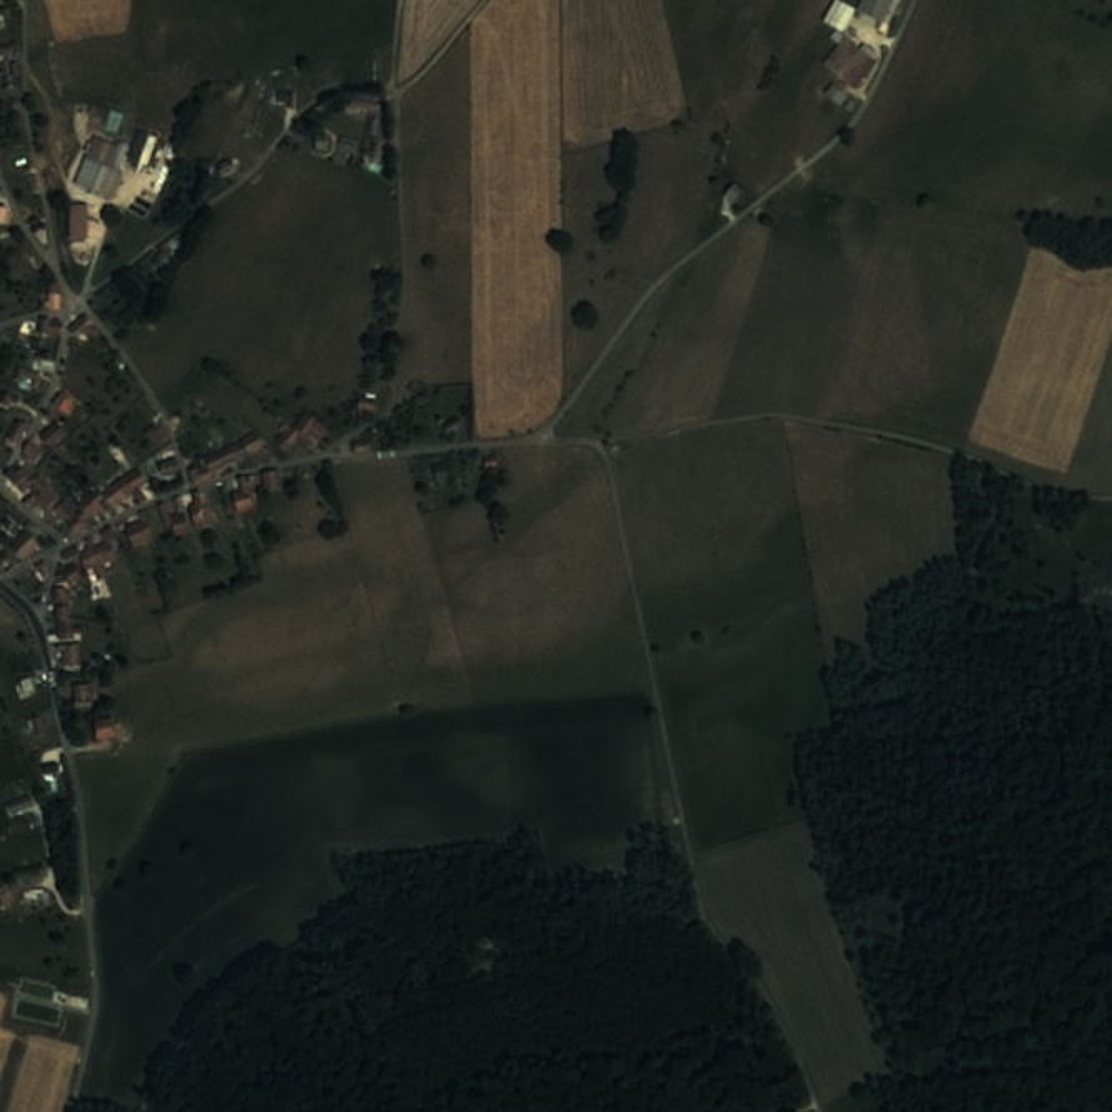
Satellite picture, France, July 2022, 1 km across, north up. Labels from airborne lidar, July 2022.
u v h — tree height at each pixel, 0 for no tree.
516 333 0
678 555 0
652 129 0
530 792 0
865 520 0
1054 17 0
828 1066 0
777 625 0
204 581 0
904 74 0
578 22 0
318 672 0
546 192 0
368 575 0
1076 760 22
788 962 0
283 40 0
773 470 0
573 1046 14
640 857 16
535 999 13
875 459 0
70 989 0
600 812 0
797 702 0
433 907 25
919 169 0
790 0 0
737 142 0
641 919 19
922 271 0
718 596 0
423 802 0
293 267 0
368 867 20
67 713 10
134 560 0
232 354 0
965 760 19
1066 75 0
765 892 0
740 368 0
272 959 25
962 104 0
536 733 0
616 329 0
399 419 8
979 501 14
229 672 0
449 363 0
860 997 0
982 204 0
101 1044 0
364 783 0
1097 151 0
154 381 0
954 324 0
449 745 0
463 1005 13
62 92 0
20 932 0
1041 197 0
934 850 27
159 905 0
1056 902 19
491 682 0
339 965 27
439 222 0
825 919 0
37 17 0
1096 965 27
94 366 0
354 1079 26
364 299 0
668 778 0
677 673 0
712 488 0
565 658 0
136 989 0
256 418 0
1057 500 14
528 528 0
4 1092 0
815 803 23
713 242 0
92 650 0
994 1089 22
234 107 0
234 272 0
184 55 0
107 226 6
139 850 0
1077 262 21
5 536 10
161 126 0
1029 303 0
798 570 0
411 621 0
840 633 0
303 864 0
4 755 0
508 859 24
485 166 0
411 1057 13
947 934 25
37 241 0
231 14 0
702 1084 29
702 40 0
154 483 11
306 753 0
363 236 0
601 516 0
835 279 0
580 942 27
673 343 0
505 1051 12
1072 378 0
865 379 0
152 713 0
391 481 0
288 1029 27
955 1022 22
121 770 0
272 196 0
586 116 0
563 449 0
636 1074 17
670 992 11
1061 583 0
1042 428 0
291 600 0
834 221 0
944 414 0
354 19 0
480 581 0
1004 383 0
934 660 20
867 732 23
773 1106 26
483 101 0
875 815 22
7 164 0
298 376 0
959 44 0
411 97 0
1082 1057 19
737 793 0
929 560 0
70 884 15
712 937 9
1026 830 27
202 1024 28
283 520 0
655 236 0
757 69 0
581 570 0
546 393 0
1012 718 22
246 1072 26
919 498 0
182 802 0
